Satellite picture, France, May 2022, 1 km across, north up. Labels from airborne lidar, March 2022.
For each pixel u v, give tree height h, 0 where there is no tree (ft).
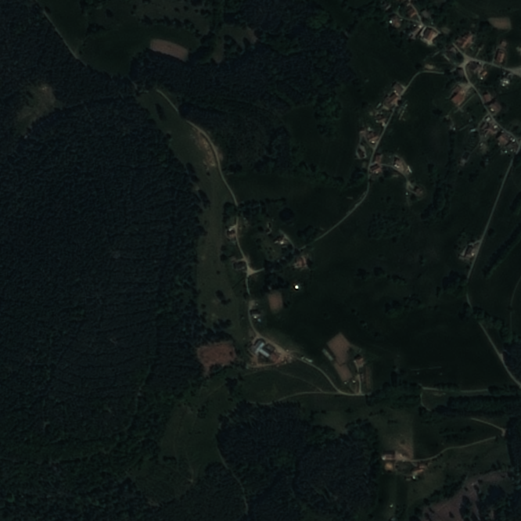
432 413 37
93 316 64
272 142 36
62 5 0
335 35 80
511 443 77
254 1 85
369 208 0
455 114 0
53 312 54
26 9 93
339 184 59
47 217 86
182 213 95
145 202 70
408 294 0
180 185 87
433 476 0
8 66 89
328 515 110
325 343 0
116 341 64
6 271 68
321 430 55
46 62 80
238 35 0
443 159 0
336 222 0
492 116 0
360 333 0
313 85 91
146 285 68
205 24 0
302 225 0
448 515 0
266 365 0
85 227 73
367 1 0
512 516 75
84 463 40
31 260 74
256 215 55
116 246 72
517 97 0
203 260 0
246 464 60
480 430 0
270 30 87
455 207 0
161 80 76
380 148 0
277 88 75
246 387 0
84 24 0
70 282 75
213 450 0
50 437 51
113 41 0
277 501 83
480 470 0
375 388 0
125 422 56
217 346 87
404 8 24
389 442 0
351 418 0
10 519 31
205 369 81
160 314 84
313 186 0
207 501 31
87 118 84
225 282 0
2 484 24
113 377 58
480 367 0
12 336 50
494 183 0
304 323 0
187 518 24
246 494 23
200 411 28
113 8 0
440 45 26
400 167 0
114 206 59
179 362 80
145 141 89
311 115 0
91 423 63
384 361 0
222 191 0
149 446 73
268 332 0
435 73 0
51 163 96
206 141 0
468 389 0
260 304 0
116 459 49
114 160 76
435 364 0
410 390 53
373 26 0
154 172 82
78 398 57
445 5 21
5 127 94
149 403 37
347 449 106
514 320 0
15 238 92
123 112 89
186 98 43
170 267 78
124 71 0
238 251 0
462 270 0
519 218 0
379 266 0
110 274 74
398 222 44
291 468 76
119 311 74
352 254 0
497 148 20
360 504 119
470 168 0
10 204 90
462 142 0
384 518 0
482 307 0
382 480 0
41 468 28
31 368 67
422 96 0
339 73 113
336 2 0
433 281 0
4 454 27
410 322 0
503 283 0
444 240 0
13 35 93
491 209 0
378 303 0
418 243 0
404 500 0
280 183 0
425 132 0
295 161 68
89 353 64
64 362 65
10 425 56
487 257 0
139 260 84
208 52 73
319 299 0
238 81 83
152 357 43
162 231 51
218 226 0
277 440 87
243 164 0
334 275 0
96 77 83
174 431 0
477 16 0
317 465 98
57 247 69
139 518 45
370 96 0
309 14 99
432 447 0
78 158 91
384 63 0
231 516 35
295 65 108
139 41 0
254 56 89
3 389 59
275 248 0
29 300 61
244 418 96
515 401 70
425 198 0
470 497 0
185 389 89
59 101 72
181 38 0
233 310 0
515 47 0
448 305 0
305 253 0
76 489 52
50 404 61
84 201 82
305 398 0
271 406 0
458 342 0
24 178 82
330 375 0
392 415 0
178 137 0
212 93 52
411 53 0
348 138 0
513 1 0
